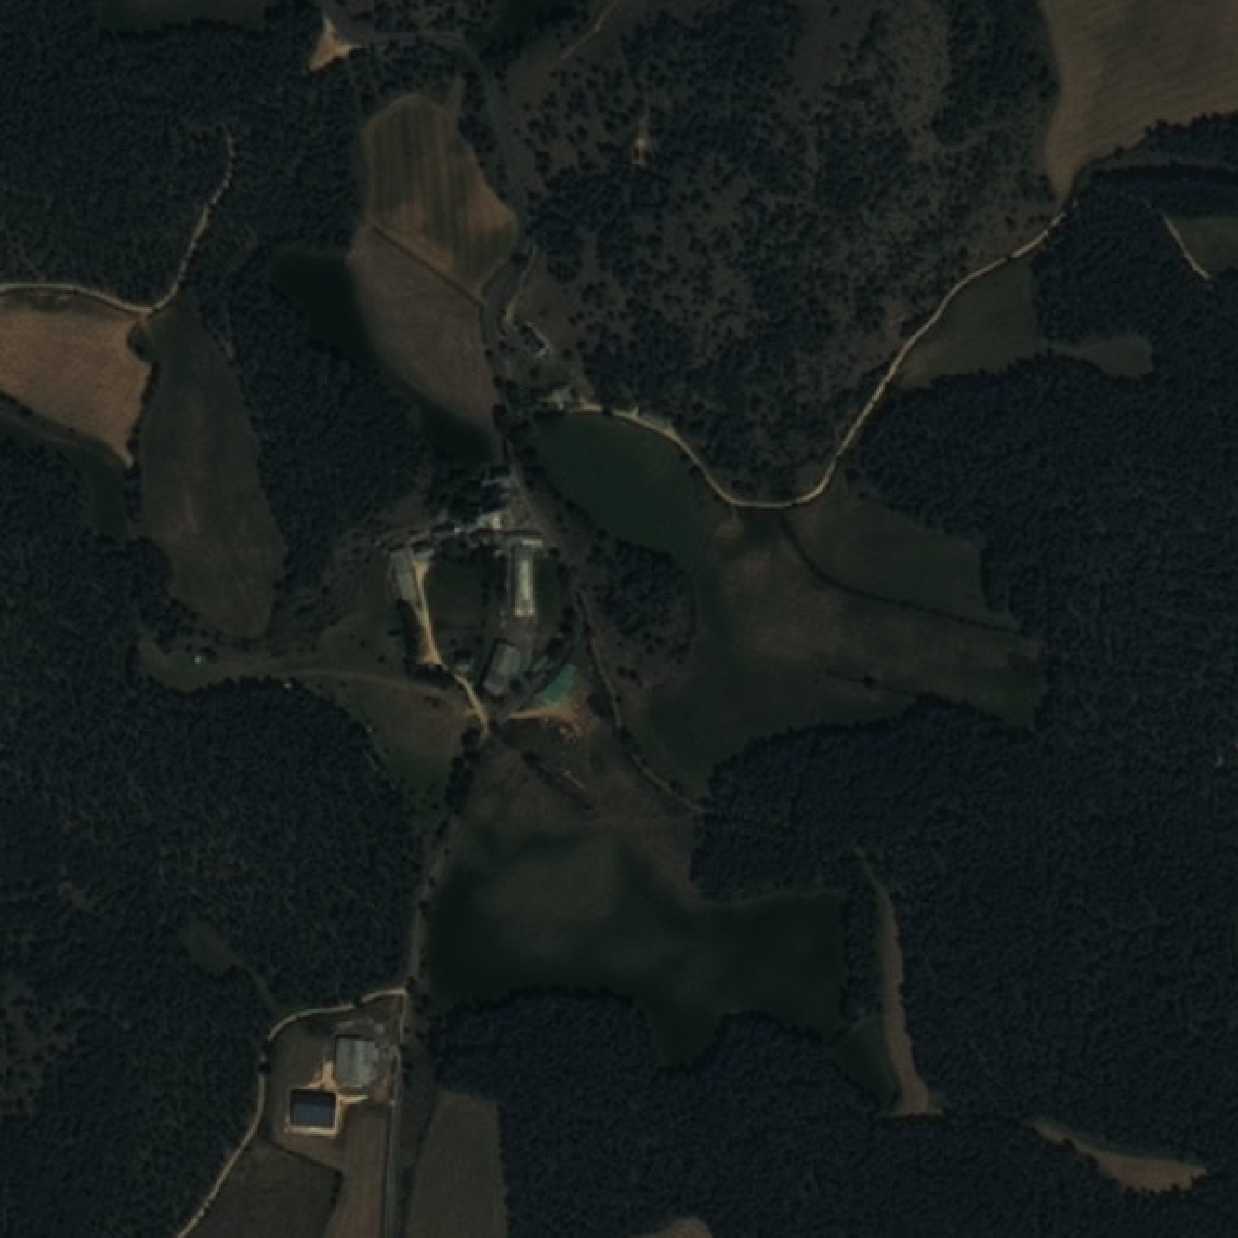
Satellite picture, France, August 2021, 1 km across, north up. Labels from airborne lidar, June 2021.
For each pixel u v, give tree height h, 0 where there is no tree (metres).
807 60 0
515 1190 13
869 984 16
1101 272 19
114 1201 11
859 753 19
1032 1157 17
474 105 7
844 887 20
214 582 0
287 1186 0
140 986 10
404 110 0
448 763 0
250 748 14
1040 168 0
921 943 13
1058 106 0
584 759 0
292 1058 0
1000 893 18
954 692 0
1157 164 0
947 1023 17
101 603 14
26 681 10
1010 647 0
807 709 0
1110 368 0
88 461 0
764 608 0
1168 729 11
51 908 10
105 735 11
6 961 10
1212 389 15
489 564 14
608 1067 14
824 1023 0
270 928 12
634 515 0
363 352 0
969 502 16
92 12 16
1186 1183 0
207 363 0
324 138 10
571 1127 13
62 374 0
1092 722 15
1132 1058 14
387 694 0
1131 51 0
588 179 7
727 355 9
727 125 7
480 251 0
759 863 18
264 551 0
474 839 0
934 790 17
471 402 0
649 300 6
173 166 12
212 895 13
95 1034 12
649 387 9
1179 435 14
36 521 15
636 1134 12
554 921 0
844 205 11
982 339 0
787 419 12
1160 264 19
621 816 0
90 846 9
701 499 0
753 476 8
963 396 18
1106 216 17
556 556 10
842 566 0
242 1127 12
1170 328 16
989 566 15
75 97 15
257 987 16
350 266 0
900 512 13
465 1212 0
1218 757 12
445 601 0
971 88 13
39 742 11
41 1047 0
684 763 0
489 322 0
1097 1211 10
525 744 0
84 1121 10
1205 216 15
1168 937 12
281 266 0
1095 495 15
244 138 10
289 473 11
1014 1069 13
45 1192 12
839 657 0
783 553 0
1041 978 15
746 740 0
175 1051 12
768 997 0
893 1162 18
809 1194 15
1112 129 0
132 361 0
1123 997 12
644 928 0
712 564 0
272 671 0
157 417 0
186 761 15
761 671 0
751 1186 15
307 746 16
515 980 0
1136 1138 16
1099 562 16
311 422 14
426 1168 0
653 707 0
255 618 0
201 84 14
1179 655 9
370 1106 0
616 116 10
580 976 0
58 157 12
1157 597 12
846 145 9
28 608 9
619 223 10
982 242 0
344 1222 0
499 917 0
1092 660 11
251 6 0
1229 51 0
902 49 0
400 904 17
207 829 15
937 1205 15
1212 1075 14
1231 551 7
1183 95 0
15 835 10
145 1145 11
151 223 12
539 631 0
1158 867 17
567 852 0
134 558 15
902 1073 0
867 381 7
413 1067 6
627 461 0
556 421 14
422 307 0
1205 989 11
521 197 0
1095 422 17
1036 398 17
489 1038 15
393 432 12
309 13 17
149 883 15
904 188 9
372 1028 0
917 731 20
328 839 15
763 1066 20
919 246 8
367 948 12
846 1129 15
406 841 16
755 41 12
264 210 12
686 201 9
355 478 12
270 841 13
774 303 9
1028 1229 11
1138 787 15
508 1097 13
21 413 10
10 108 15
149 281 15
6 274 7
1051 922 14
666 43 12
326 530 11
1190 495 13
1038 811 14
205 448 0
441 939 0
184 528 0
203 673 0
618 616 9
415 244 0
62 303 0
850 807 18
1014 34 14
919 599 0
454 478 12
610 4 0
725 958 0
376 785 14
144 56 17
